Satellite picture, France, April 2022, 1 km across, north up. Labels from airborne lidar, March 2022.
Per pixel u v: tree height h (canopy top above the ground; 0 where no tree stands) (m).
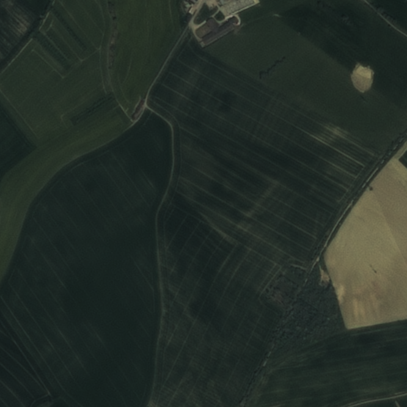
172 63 0
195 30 0
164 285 0
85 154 0
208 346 0
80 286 0
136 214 0
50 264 0
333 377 0
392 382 0
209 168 0
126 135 0
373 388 0
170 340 0
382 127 0
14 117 0
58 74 0
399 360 0
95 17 0
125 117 0
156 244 0
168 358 0
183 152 0
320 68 0
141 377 0
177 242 0
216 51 0
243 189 0
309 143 0
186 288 0
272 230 0
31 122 0
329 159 0
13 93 0
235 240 0
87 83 0
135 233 0
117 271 0
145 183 0
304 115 0
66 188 0
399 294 0
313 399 0
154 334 0
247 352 0
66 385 0
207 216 0
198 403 0
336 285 0
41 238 0
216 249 0
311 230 0
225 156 0
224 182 0
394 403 0
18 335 0
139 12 0
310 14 0
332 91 0
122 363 0
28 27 0
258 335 0
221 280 0
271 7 0
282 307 15
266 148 0
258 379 11
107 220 0
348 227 0
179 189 0
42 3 0
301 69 0
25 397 0
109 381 0
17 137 0
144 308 0
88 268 0
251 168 0
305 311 14
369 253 0
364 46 0
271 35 0
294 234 0
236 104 0
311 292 10
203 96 0
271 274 0
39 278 0
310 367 0
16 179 0
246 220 0
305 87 0
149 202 0
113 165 0
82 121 0
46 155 0
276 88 0
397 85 0
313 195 0
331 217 0
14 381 0
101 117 0
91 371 0
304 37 0
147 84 0
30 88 0
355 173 0
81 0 0
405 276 0
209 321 0
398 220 0
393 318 0
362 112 0
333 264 0
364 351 0
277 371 0
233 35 0
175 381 0
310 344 6
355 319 0
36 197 0
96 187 0
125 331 0
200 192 0
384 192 0
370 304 0
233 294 0
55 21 0
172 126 0
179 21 0
